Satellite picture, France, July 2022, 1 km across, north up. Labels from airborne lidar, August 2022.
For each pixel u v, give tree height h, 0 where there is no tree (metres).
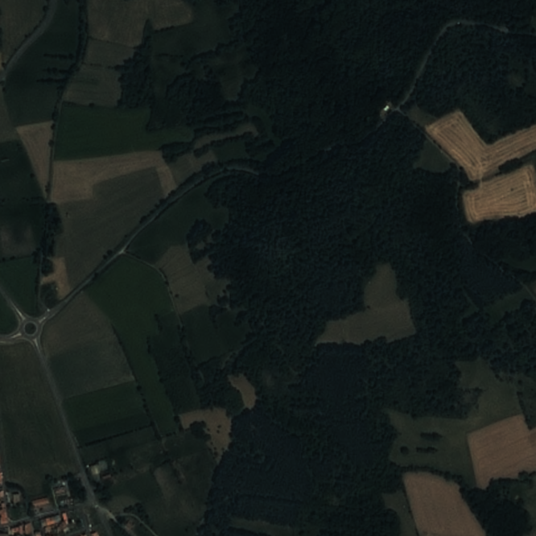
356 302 16
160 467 6
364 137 8
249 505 19
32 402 0
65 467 0
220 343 0
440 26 12
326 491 8
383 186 9
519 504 6
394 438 9
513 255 13
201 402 9
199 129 10
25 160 0
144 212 0
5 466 0
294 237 10
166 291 0
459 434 0
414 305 6
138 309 0
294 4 25
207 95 13
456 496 0
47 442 0
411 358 8
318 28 19
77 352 0
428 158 0
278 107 18
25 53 0
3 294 0
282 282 11
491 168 0
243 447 7
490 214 0
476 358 10
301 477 16
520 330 7
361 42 22
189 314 0
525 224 23
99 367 0
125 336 0
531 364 10
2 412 0
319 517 7
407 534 0
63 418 0
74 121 0
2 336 0
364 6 14
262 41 17
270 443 17
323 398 15
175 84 9
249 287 8
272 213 16
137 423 0
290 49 20
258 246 9
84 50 9
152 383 0
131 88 9
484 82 12
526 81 8
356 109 28
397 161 11
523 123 14
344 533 18
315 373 17
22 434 0
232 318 0
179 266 0
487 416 0
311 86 24
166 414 0
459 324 12
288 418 10
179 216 0
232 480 18
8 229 0
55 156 0
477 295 13
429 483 0
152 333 0
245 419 18
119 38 0
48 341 0
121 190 0
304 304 7
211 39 0
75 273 0
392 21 21
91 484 7
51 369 0
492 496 7
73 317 0
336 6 22
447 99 9
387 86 20
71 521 8
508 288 17
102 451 0
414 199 18
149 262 0
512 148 0
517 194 0
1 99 0
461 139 0
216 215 0
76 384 0
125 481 0
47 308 0
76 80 0
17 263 0
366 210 13
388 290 0
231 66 0
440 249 14
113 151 0
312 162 18
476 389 6
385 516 18
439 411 9
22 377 0
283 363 7
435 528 0
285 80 24
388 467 8
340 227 19
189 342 0
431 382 6
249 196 15
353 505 10
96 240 0
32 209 0
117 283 0
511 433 0
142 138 0
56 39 0
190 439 0
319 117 28
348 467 13
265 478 17
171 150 10
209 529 13
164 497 0
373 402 8
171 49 0
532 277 13
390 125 11
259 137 8
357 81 22
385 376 7
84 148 0
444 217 15
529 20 14
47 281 0
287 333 9
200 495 0
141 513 8
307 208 16
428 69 11
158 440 9
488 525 10
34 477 0
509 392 0
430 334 11
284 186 25
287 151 24
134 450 0
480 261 23
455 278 21
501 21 14
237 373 7
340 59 10
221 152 0
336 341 0
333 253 9
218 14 0
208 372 10
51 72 10
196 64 8
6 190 0
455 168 15
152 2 0
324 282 18
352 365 17
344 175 16
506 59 12
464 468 0
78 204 0
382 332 0
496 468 0
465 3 19
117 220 0
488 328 16
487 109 8
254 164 13
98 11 0
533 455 0
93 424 0
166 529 0
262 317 13
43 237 7
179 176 0
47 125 0
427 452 9
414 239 15
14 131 0
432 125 0
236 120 9
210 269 14
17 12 0
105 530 0
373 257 8
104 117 0
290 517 17
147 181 0
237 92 0
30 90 0
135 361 0
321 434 11
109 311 0
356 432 15
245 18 16
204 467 0
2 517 0
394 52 11
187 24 0
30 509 11
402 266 15
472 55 9
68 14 0
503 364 13
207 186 0
